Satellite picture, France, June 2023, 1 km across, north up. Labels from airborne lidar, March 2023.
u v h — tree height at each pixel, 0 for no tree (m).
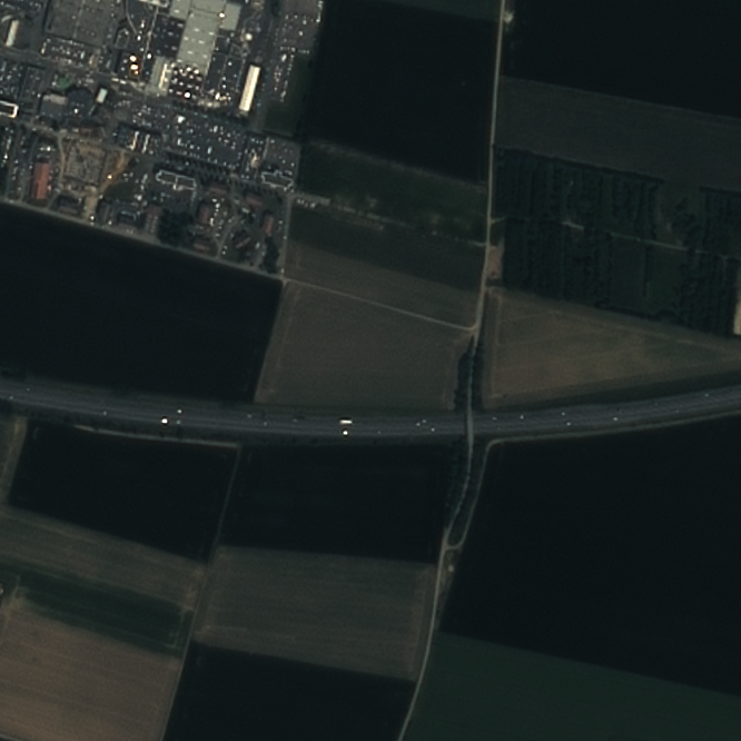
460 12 0
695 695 0
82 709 0
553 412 0
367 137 0
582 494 0
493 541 0
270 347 0
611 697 0
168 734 0
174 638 0
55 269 0
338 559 0
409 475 0
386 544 0
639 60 0
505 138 0
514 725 0
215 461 0
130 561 0
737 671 0
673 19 0
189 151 0
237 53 0
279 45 0
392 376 0
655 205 12
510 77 0
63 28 0
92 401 0
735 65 0
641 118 0
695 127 0
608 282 14
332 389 0
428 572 0
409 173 0
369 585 0
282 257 0
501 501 0
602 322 0
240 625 0
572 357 0
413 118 0
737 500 0
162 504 0
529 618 0
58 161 0
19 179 0
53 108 0
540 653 0
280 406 0
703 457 0
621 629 0
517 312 0
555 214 11
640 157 0
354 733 0
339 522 0
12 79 0
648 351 0
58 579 0
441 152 0
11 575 0
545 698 0
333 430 0
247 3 0
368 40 0
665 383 0
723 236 9
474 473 15
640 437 0
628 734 0
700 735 0
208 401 0
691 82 0
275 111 0
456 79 0
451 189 0
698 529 0
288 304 0
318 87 0
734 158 0
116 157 0
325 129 0
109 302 0
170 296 0
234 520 0
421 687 0
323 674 0
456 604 0
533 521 0
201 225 0
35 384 0
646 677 0
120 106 0
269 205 0
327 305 0
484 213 0
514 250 14
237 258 0
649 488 0
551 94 0
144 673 0
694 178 0
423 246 0
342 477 0
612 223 0
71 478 0
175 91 0
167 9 0
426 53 0
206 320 0
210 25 0
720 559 0
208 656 0
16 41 0
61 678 0
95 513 0
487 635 0
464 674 0
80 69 0
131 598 0
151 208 0
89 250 0
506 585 0
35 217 0
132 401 0
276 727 0
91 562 0
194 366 0
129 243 0
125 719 0
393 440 0
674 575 0
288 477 0
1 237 0
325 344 0
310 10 0
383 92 0
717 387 0
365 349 0
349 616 0
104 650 0
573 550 0
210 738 0
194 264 0
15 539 0
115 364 0
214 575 0
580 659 0
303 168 7
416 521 0
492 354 0
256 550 0
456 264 0
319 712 0
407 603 0
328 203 0
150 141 0
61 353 0
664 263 0
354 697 0
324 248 0
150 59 0
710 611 0
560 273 16
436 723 0
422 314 0
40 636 0
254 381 0
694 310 9
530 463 0
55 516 0
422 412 0
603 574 0
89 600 0
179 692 0
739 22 0
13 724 0
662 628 0
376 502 0
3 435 0
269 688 0
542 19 0
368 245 0
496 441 0
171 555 0
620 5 0
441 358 0
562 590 0
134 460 0
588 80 0
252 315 0
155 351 0
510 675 0
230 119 6
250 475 0
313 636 0
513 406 0
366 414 0
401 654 0
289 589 0
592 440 0
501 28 0
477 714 0
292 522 0
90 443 0
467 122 0
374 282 0
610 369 0
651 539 0
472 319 0
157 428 0
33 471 0
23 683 0
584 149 0
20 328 0
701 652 0
